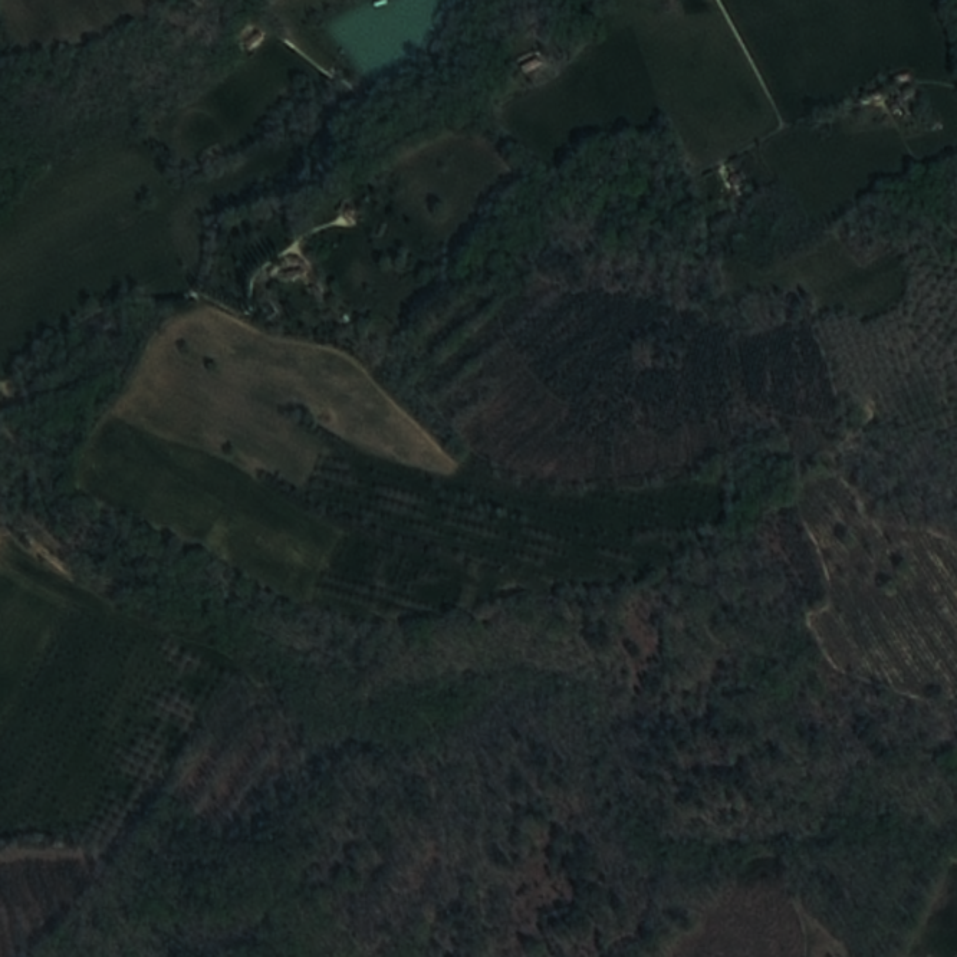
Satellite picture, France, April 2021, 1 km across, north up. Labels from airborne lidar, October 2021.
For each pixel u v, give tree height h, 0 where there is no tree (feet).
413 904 43
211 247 46
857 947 71
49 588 0
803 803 66
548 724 71
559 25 72
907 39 0
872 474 62
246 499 0
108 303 44
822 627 0
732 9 0
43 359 67
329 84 51
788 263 34
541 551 28
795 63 0
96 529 74
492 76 68
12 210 43
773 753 40
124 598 91
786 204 61
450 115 70
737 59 0
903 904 69
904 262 37
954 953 0
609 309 29
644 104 0
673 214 67
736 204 40
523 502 25
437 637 72
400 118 79
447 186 0
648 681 43
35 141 68
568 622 62
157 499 0
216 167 59
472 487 23
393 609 26
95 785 24
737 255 47
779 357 29
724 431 31
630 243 81
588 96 0
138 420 0
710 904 68
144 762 33
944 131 0
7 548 0
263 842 80
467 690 71
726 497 44
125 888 84
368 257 0
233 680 60
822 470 70
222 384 0
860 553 0
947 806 80
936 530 65
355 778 72
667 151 61
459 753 55
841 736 33
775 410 26
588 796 48
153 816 63
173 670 31
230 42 73
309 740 75
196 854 93
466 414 52
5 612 0
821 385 23
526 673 58
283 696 65
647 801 66
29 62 62
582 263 65
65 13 0
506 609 65
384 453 0
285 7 0
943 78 0
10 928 24
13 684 0
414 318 73
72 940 54
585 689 45
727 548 46
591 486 49
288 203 73
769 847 60
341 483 28
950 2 76
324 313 24
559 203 72
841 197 0
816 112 69
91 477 0
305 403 0
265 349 0
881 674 0
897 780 60
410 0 0
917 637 0
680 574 49
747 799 66
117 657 25
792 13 0
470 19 71
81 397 62
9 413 59
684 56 0
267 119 27
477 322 54
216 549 0
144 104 39
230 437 0
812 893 91
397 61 0
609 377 30
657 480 68
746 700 61
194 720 29
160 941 75
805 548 24
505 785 51
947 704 63
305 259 32
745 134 0
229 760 56
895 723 60
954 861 76
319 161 35
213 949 49
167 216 0
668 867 98
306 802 64
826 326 50
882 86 20
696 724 44
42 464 60
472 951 86
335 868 33
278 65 0
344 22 0
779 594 31
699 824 42
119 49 66
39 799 23
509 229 84
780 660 43
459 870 28
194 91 39
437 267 41
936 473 50
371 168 78
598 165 74
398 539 45
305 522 0
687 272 25
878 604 0
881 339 53
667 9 0
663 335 72
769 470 74
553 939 48
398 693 72
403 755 78
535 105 0
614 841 57
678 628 61
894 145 0
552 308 25
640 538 35
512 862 35
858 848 79
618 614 70
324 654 72
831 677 29
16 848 62
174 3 52
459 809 73
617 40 0
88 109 46
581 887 65
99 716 27
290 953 81
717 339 30
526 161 58
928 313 33
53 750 26
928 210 56
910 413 54
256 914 97
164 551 52
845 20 0
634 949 56
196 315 0
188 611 86
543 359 27
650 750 46
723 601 47
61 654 20
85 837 45
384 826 72
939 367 41
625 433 28
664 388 28
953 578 0
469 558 26
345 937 46
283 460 0
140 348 45
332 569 21
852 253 42
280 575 0
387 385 33
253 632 71
